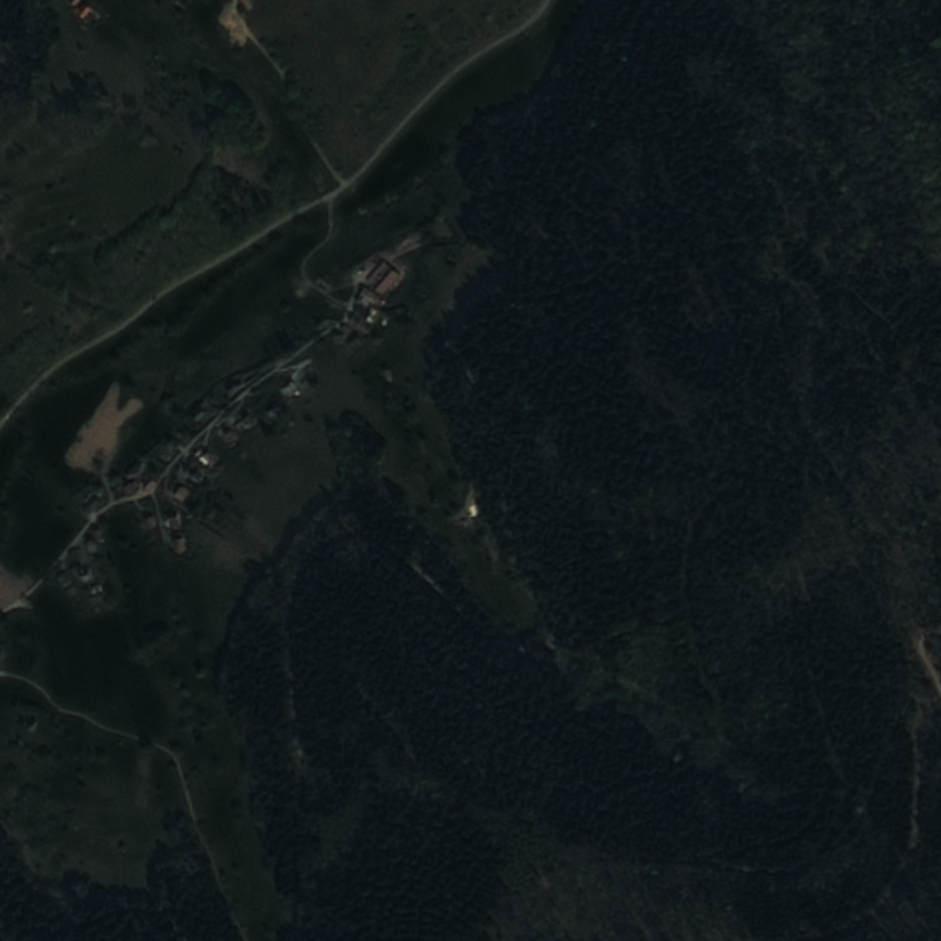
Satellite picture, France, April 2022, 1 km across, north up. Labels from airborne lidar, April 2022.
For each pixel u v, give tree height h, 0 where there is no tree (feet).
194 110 0
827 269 46
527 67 0
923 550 84
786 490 69
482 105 0
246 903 0
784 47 96
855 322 108
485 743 107
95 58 0
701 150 90
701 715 70
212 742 0
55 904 111
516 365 100
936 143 69
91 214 0
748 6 58
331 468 0
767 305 73
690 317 84
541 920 88
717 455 64
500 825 66
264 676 81
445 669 121
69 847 0
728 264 35
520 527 67
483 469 79
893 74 55
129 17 0
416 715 89
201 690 0
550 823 70
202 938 111
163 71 44
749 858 71
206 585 0
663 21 95
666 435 56
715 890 55
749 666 63
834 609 78
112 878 0
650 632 54
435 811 54
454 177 0
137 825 0
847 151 116
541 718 111
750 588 54
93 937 94
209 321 0
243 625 56
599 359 110
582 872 69
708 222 68
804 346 98
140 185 0
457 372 84
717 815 79
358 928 74
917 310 52
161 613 0
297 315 0
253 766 66
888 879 56
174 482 0
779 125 75
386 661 74
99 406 0
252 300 0
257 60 0
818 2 64
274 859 54
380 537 40
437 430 0
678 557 59
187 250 83
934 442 104
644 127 99
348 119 0
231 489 0
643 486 62
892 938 47
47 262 46
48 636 0
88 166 0
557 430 89
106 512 0
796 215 91
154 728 0
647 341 104
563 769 85
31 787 34
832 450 66
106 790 0
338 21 0
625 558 53
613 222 44
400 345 0
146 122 47
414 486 0
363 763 68
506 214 95
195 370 0
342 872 62
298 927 68
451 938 61
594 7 30
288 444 0
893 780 52
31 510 0
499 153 71
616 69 91
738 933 60
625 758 75
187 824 69
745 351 97
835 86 107
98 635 0
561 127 122
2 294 0
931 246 115
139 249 85
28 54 83
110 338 0
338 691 49
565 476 78
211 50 0
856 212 105
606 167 51
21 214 0
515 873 69
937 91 54
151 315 0
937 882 50
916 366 44
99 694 0
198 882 102
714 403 54
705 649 51
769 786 68
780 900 51
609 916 64
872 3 59
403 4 0
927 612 73
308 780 56
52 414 0
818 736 111
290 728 65
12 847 50
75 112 83
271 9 0
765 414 92
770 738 56
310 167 0
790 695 62
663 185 105
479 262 0
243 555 0
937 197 84
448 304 0
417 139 0
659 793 82
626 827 88
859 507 68
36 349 82
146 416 0
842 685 75
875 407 107
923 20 77
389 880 72
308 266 0
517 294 100
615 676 64
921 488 95
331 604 85
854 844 57
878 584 69
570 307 118
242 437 0
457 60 24
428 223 23
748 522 86
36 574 0
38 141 0
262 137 79
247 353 0
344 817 61
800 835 89
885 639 59
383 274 0
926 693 43
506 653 115
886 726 65
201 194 62
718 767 52
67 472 0
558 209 109
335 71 0
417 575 99
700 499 66
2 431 0
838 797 81
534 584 70
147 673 0
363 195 0
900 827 64
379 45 0
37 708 30
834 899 59
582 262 40
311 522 53
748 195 75
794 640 84
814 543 75
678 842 86
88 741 0
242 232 31
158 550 0
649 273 105
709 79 86
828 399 85
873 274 48
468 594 71
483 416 67
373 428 32
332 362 0
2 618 31
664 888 68
